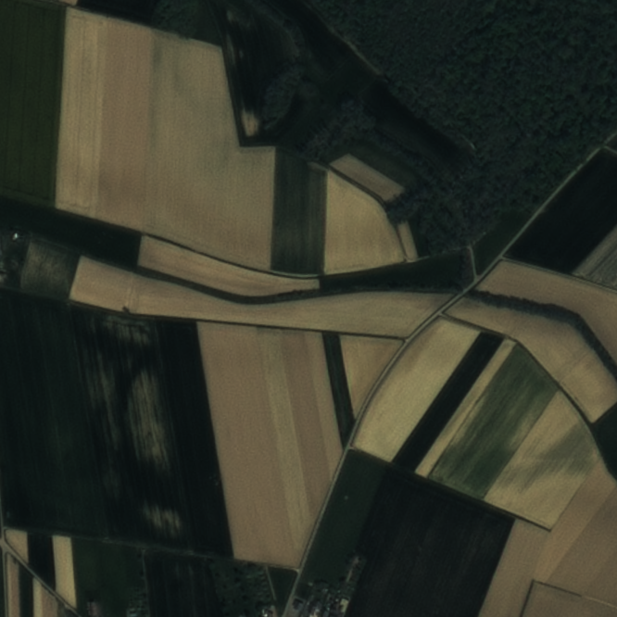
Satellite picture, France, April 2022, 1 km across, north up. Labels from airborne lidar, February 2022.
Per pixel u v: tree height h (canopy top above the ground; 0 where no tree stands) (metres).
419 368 0
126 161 0
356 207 0
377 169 0
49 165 0
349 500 0
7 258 0
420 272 0
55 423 0
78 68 0
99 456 0
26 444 0
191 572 0
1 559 0
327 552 0
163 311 0
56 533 0
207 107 0
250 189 0
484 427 0
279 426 0
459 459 0
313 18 0
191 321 0
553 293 0
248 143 0
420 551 0
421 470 0
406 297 0
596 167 0
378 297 0
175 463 0
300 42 13
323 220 0
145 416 0
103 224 0
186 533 0
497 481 0
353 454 0
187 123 0
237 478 0
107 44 0
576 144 31
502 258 0
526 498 0
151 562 0
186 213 0
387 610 0
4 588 0
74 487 0
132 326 0
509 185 30
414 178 0
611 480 0
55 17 0
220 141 0
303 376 0
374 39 20
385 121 0
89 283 0
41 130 0
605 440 0
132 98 0
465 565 0
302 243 0
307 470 0
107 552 0
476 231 31
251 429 0
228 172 0
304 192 0
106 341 0
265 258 0
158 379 0
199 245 0
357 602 0
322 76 0
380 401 0
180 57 0
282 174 0
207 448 0
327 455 0
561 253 0
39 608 0
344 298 0
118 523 0
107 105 0
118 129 0
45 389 0
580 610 0
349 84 0
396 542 0
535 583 0
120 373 0
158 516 0
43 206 0
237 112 0
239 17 0
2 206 0
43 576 0
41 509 0
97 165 0
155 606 0
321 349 0
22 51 0
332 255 0
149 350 0
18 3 0
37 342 0
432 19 17
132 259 0
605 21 20
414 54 16
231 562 0
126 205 0
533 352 0
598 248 0
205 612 0
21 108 0
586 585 0
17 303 0
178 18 30
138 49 0
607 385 0
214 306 0
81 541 0
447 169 0
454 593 0
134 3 0
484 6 14
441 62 17
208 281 0
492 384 0
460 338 0
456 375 0
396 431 0
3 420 0
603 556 0
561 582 0
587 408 0
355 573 8
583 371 0
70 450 0
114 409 0
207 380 0
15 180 0
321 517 0
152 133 0
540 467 0
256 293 0
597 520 0
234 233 0
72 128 0
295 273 0
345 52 0
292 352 0
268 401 0
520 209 21
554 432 0
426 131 0
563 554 0
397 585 0
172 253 0
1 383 0
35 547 0
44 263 0
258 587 7
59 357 0
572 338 0
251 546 0
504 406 0
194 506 0
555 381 0
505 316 0
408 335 0
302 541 0
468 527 0
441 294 0
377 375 0
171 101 0
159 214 0
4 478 0
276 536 0
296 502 0
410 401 0
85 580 0
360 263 0
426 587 0
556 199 0
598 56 30
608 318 0
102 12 0
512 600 0
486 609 0
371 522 0
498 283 0
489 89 32
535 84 25
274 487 0
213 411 0
